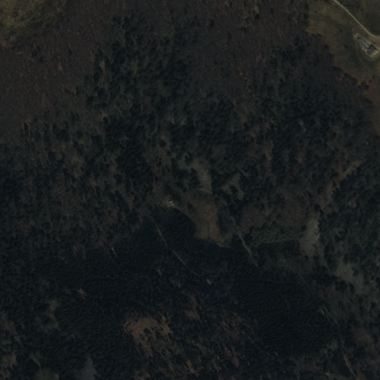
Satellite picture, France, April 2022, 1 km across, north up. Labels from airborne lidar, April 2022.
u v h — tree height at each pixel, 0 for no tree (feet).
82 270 46
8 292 83
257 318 75
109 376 77
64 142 89
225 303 63
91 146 71
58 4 0
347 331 37
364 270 73
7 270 112
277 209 75
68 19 49
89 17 56
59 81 85
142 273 103
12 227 66
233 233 65
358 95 47
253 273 66
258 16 49
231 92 60
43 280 62
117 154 85
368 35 0
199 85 86
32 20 0
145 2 52
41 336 103
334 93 67
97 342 86
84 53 84
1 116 61
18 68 58
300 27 57
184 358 48
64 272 66
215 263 79
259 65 60
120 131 98
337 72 52
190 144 94
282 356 55
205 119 112
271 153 64
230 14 42
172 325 26
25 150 75
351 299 39
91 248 59
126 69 70
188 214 0
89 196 106
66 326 69
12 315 106
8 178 68
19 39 0
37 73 75
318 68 68
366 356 116
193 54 74
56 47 55
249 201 109
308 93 53
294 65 75
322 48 46
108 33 64
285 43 75
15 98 62
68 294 72
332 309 79
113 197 90
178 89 94
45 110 75
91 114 83
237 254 73
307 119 77
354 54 0
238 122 88
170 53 79
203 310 131
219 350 106
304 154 106
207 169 43
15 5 0
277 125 71
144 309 51
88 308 81
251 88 100
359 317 52
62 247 81
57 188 63
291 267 55
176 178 84
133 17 72
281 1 40
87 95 101
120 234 110
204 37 78
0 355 74
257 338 95
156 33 44
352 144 89
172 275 92
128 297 50
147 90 69
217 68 84
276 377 102
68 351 36
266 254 40
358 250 89
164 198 65
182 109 66
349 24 0
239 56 72
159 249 75
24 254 86
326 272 53
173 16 64
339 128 30
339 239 105
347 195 113
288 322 69
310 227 0
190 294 89
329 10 0
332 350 72
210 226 0
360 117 81
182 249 109
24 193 91
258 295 78
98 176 115
